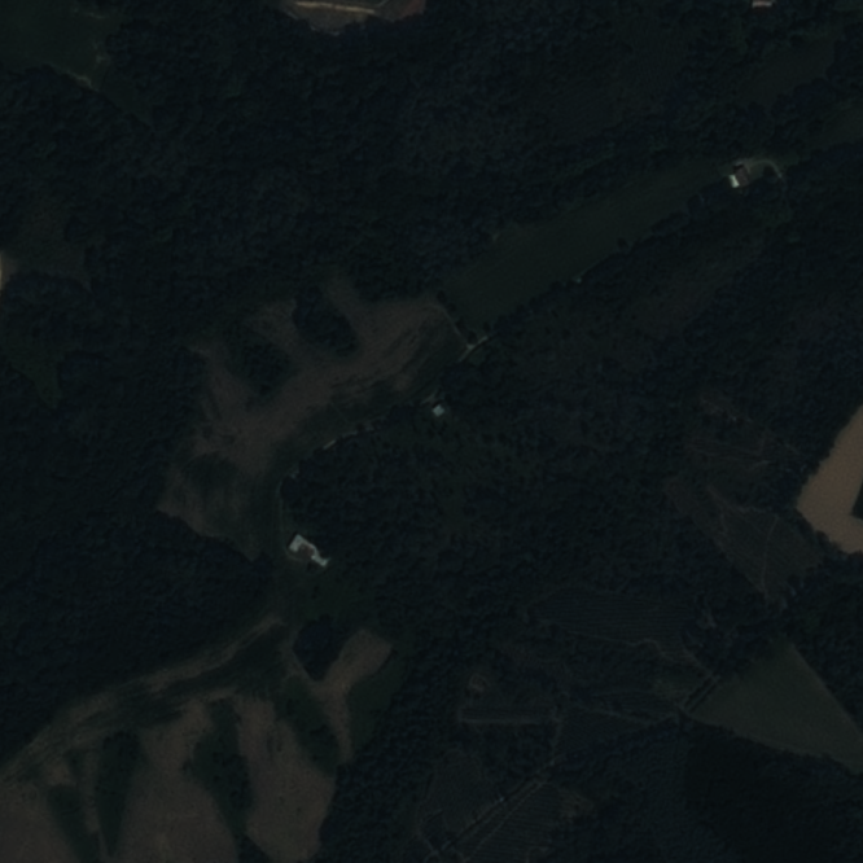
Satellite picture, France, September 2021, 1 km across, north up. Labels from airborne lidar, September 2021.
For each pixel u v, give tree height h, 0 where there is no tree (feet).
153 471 64
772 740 0
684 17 77
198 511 0
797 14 62
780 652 0
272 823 0
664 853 41
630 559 35
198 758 0
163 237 77
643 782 60
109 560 63
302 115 78
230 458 0
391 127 65
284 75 78
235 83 102
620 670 38
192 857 0
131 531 31
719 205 62
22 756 0
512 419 39
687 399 56
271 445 0
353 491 41
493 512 54
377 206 85
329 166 41
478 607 75
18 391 67
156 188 75
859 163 77
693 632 61
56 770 0
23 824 0
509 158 91
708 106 82
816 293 35
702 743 41
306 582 0
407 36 78
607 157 63
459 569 39
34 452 102
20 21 0
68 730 0
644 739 44
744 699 0
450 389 57
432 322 0
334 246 57
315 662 74
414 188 103
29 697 46
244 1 82
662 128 44
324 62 78
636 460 94
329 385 0
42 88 78
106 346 66
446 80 90
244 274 86
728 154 46
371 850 41
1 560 71
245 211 84
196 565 39
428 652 46
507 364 22
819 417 48
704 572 53
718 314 56
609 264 41
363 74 93
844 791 77
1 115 58
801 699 0
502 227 48
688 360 58
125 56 61
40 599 81
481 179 92
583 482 69
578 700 49
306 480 37
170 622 65
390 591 65
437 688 63
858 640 19
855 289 51
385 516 67
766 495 30
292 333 0
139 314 73
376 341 0
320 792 0
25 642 101
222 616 41
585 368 23
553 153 49
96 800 0
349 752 0
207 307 82
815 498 0
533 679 47
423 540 40
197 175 80
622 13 29
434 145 82
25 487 95
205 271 52
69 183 78
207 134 85
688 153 45
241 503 0
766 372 31
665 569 22
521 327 46
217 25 98
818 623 35
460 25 90
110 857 0
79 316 78
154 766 0
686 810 63
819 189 72
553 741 63
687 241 47
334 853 29
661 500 25
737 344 87
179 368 59
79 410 91
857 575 89
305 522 59
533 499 35
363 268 31
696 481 26
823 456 50
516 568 84
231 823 0
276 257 96
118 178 78
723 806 34
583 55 50
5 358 28
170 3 63
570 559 64
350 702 0
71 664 51
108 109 66
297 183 37
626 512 67
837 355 58
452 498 35
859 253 39
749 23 64
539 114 29
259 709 0
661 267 33
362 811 47
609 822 76
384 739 40
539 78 44
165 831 0
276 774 0
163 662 70
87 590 30
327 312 58
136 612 56
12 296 47
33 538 66
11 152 76
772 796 35
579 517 75
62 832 0
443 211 79
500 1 85
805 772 27
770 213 75
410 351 0
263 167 87
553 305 41
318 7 0
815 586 73
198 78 101
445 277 74
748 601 53
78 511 64
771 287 82
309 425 0
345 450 61
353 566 26
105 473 59
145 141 27
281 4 0
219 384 0
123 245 79
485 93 41
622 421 65
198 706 0
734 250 23
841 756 0
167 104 68
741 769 42
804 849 38
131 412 63
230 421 0
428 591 58
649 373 38
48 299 68
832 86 42
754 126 81
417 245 84
